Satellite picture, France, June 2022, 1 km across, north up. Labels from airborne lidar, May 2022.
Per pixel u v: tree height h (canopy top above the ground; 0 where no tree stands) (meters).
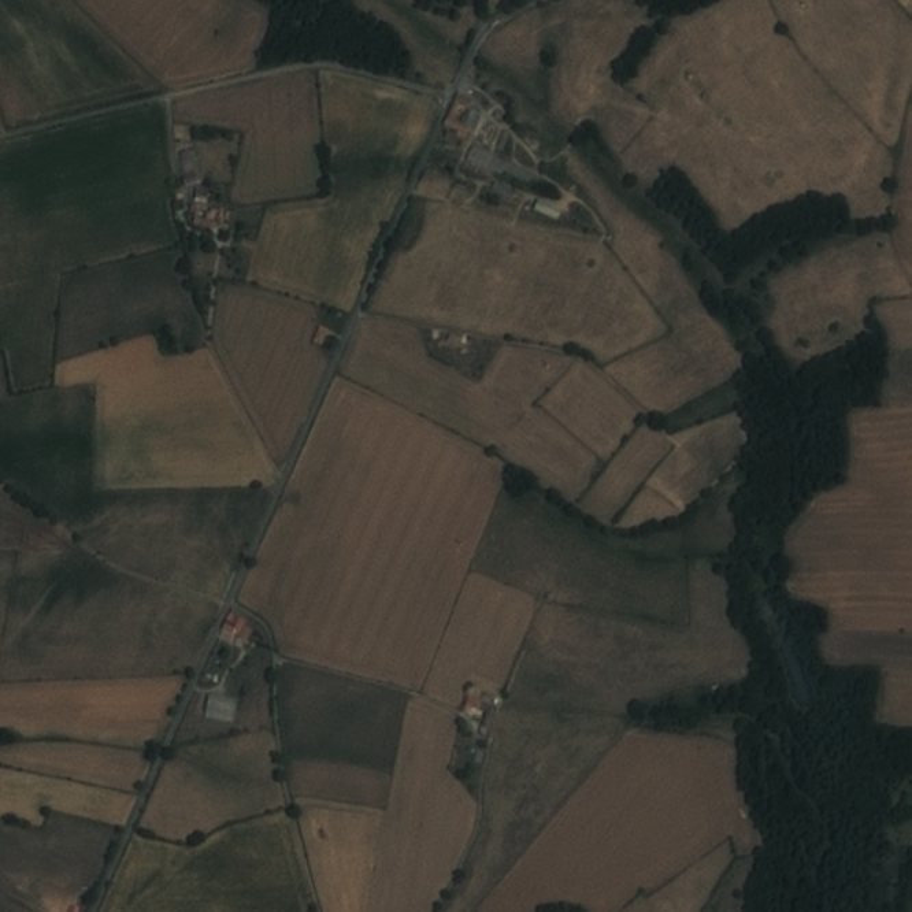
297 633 0
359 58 17
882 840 9
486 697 0
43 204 0
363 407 0
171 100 0
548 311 0
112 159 0
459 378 0
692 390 0
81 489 0
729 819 0
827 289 0
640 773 0
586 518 8
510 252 0
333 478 0
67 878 0
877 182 0
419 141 0
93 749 0
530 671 0
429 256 0
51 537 0
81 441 0
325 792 0
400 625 0
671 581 0
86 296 0
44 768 0
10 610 0
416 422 0
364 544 0
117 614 0
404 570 0
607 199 0
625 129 0
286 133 0
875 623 0
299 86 0
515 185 6
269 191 0
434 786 0
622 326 0
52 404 0
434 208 0
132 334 0
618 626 0
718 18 0
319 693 0
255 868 0
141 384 0
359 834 0
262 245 0
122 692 0
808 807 13
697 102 0
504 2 12
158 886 0
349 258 0
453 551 0
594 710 0
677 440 0
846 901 12
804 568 0
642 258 0
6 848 0
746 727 14
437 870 0
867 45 0
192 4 0
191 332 0
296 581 0
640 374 0
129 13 0
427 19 0
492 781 0
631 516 0
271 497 0
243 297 0
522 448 0
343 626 0
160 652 0
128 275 0
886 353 8
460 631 0
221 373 0
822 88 0
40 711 0
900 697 0
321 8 16
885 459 0
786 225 16
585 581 0
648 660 0
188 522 0
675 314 0
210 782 0
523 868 0
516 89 0
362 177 0
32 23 0
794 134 0
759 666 14
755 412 17
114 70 0
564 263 0
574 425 0
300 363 0
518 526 0
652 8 8
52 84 0
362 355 0
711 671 0
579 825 0
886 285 0
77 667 0
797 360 0
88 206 0
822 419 18
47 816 11
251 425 0
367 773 0
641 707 14
